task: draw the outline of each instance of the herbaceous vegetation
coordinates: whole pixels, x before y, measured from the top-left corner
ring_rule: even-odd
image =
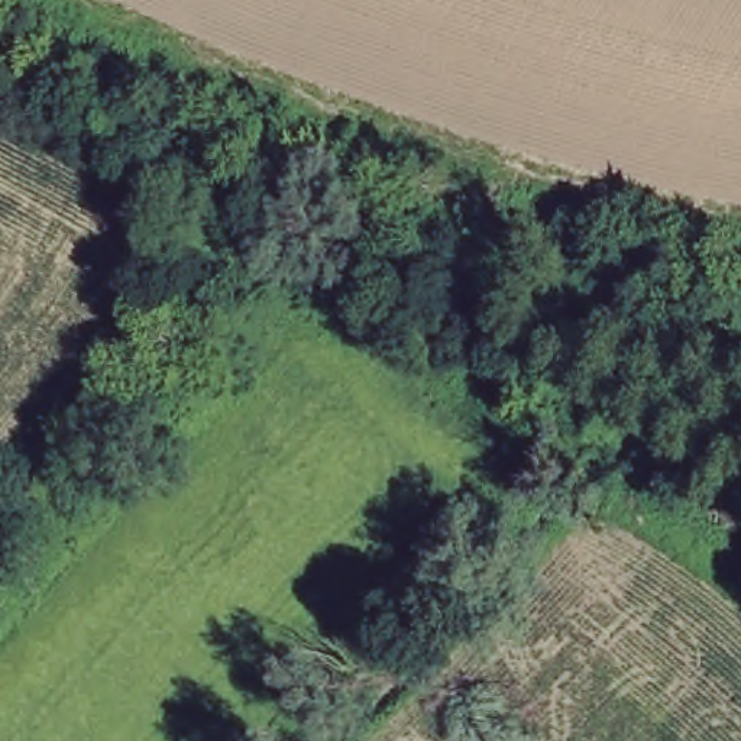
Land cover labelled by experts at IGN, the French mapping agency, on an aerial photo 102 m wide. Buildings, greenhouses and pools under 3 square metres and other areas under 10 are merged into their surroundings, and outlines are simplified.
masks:
[[[596,269],[593,292],[579,295],[573,287],[550,287],[547,292],[533,292],[533,307],[518,336],[507,344],[507,353],[515,362],[530,359],[533,333],[541,327],[553,327],[562,344],[576,344],[582,350],[588,316],[599,307],[611,307],[617,301],[619,284],[625,284],[643,266],[654,263],[657,255],[640,243],[622,252],[617,263]]]
[[[142,9],[133,0],[87,0],[113,26],[130,26],[142,17]]]
[[[709,362],[715,371],[727,368],[729,356],[741,350],[741,333],[724,330],[718,321],[709,324]]]
[[[336,333],[342,344],[368,350],[379,342],[379,324],[373,321],[365,324],[365,330],[353,330],[344,313],[333,316],[327,287],[313,289],[313,284],[304,281],[298,292],[281,295],[266,284],[263,298],[258,301],[255,295],[246,295],[246,301],[232,313],[229,324],[232,333],[246,336],[232,365],[249,368],[252,376],[258,371],[266,371],[281,353],[289,353],[295,342],[316,342],[324,330]]]
[[[608,376],[593,379],[590,385],[602,397],[614,397],[622,385],[631,382],[628,365],[614,365]]]
[[[686,408],[695,408],[700,402],[703,382],[695,376],[680,379],[674,385],[674,394]]]
[[[703,214],[689,200],[677,197],[674,206],[683,217],[683,234],[689,240],[703,240],[706,223],[741,229],[741,206],[732,206],[727,214]]]
[[[657,362],[663,365],[674,365],[683,356],[686,327],[677,321],[657,327]]]
[[[706,469],[709,463],[709,443],[718,437],[741,434],[741,405],[724,411],[715,420],[700,420],[689,425],[686,452],[680,460],[674,460],[654,457],[654,428],[663,411],[657,408],[657,402],[645,402],[640,414],[640,434],[625,437],[617,452],[622,466],[631,469],[631,475],[625,478],[625,486],[619,492],[599,498],[599,512],[611,527],[619,527],[634,538],[651,544],[666,559],[686,567],[695,579],[715,582],[741,611],[741,507],[735,492],[724,489],[718,492],[715,504],[689,504],[686,495],[692,472],[700,466]]]
[[[223,49],[214,49],[208,43],[194,41],[191,35],[177,32],[179,41],[191,46],[194,61],[200,67],[226,69],[232,75],[249,78],[252,84],[269,84],[278,96],[292,96],[318,113],[330,113],[333,119],[327,122],[327,139],[342,136],[347,116],[362,116],[365,122],[353,136],[353,145],[362,148],[362,159],[376,156],[379,162],[385,162],[388,156],[399,156],[405,162],[411,153],[417,153],[420,165],[431,168],[443,153],[449,153],[460,162],[463,171],[475,174],[475,179],[463,185],[466,237],[457,243],[452,269],[452,304],[457,307],[466,324],[463,368],[431,371],[428,382],[437,391],[437,399],[449,397],[452,405],[460,408],[460,425],[472,431],[480,428],[480,420],[492,420],[501,425],[501,382],[480,376],[475,356],[478,344],[483,342],[480,313],[489,304],[486,295],[498,287],[498,272],[486,263],[486,255],[509,240],[507,223],[498,208],[521,208],[527,203],[535,203],[538,220],[544,223],[556,211],[588,211],[590,203],[619,194],[625,179],[622,174],[602,174],[588,179],[585,185],[573,185],[564,168],[530,162],[530,153],[501,153],[495,145],[463,139],[452,130],[437,130],[414,119],[385,113],[362,98],[327,93],[304,78],[281,75],[266,67],[240,64]]]

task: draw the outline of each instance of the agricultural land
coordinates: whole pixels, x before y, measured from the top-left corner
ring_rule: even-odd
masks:
[[[544,567],[533,573],[533,599],[515,631],[507,640],[498,640],[495,648],[480,660],[480,666],[472,657],[463,657],[457,648],[452,648],[446,666],[434,669],[434,686],[423,680],[411,686],[388,709],[388,718],[382,721],[385,729],[376,735],[376,741],[741,741],[741,611],[715,582],[695,579],[686,567],[666,559],[651,544],[634,538],[619,527],[611,527],[605,533],[590,533],[588,524],[576,518],[576,530],[544,562]]]
[[[124,206],[133,188],[122,179],[81,174],[55,159],[52,153],[23,151],[9,136],[0,136],[0,440],[12,434],[14,423],[32,417],[35,405],[55,408],[55,399],[64,399],[69,405],[78,397],[84,368],[90,365],[87,353],[96,342],[119,342],[130,336],[116,321],[116,289],[110,281],[130,249]]]
[[[483,489],[486,480],[492,480],[509,489],[521,472],[527,472],[518,463],[521,434],[512,434],[509,425],[501,425],[492,420],[480,420],[480,428],[472,431],[460,425],[460,408],[452,405],[449,397],[437,399],[437,391],[428,382],[423,382],[420,376],[391,371],[368,350],[342,344],[336,333],[324,330],[316,342],[295,342],[289,353],[281,353],[266,371],[258,371],[252,376],[255,385],[246,394],[220,397],[223,402],[217,405],[217,420],[211,420],[194,437],[174,437],[168,428],[162,428],[171,449],[168,466],[153,469],[151,504],[145,509],[122,509],[113,527],[101,538],[96,538],[87,556],[72,562],[61,573],[61,588],[52,593],[52,599],[43,602],[38,611],[26,611],[20,617],[20,622],[14,625],[20,640],[0,645],[0,741],[252,741],[261,738],[266,724],[278,718],[269,700],[284,698],[278,686],[269,686],[263,680],[266,657],[272,657],[272,643],[284,643],[292,660],[318,654],[330,648],[336,640],[342,640],[356,654],[362,645],[362,622],[344,611],[347,602],[356,593],[365,596],[373,588],[382,588],[394,570],[420,567],[420,559],[414,559],[414,541],[420,533],[420,521],[425,515],[443,515],[449,509],[443,492],[457,489],[460,480],[472,483],[475,489]]]

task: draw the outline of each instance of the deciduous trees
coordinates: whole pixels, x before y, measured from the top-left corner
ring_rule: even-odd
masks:
[[[590,533],[605,533],[611,527],[599,512],[599,498],[619,492],[625,486],[625,478],[631,475],[631,469],[622,466],[617,452],[625,437],[640,434],[640,414],[645,402],[657,402],[657,408],[663,411],[654,428],[654,457],[674,460],[680,460],[686,452],[689,425],[700,420],[715,420],[724,411],[741,405],[741,350],[729,356],[727,368],[715,371],[709,362],[709,324],[718,321],[724,330],[741,333],[741,229],[706,223],[703,240],[689,240],[683,234],[683,217],[674,206],[677,197],[660,197],[654,188],[625,179],[619,194],[590,203],[588,211],[556,211],[544,223],[538,220],[535,203],[527,203],[521,208],[498,208],[507,223],[509,240],[486,255],[486,263],[498,272],[498,287],[486,295],[489,304],[480,313],[483,342],[478,344],[475,356],[480,376],[501,382],[501,425],[509,425],[512,434],[521,434],[518,463],[527,472],[521,472],[509,489],[492,480],[486,480],[483,489],[475,489],[472,483],[460,480],[457,489],[443,492],[449,509],[443,515],[425,515],[420,521],[420,533],[414,541],[414,559],[420,559],[420,567],[394,570],[382,588],[373,588],[365,596],[356,593],[347,602],[344,611],[362,622],[362,645],[356,654],[342,640],[336,640],[330,648],[318,654],[292,660],[284,643],[272,643],[272,657],[266,657],[263,680],[269,686],[278,686],[284,698],[269,700],[278,718],[266,724],[261,738],[252,741],[376,741],[376,735],[385,729],[382,721],[388,718],[388,709],[411,686],[423,680],[434,686],[434,669],[446,666],[452,648],[457,648],[463,657],[472,657],[480,666],[480,660],[495,648],[498,640],[507,640],[515,631],[533,599],[533,573],[544,567],[544,562],[576,530],[576,518],[588,524]],[[643,266],[625,284],[619,284],[617,301],[611,307],[599,307],[588,316],[582,350],[576,344],[562,344],[553,327],[541,327],[533,333],[530,359],[515,362],[507,353],[507,344],[518,336],[533,307],[533,292],[547,292],[550,287],[573,287],[579,295],[593,292],[596,269],[617,263],[622,252],[640,243],[657,255],[654,263]],[[657,327],[677,321],[686,327],[683,356],[674,365],[663,365],[657,362]],[[608,376],[614,365],[628,365],[631,382],[622,385],[614,397],[602,397],[590,385],[593,379]],[[695,408],[686,408],[674,394],[674,385],[680,379],[695,376],[703,382],[700,402]]]
[[[718,437],[709,443],[709,463],[706,469],[700,466],[692,472],[686,495],[689,504],[715,504],[718,492],[724,489],[735,492],[741,507],[741,434]]]
[[[452,304],[452,269],[457,243],[466,237],[463,185],[475,179],[475,174],[463,171],[460,162],[449,153],[443,153],[431,168],[420,165],[417,153],[411,153],[405,162],[399,156],[388,156],[385,162],[379,162],[376,156],[362,159],[362,148],[353,145],[353,136],[365,122],[362,116],[347,116],[342,136],[327,139],[327,122],[333,119],[330,113],[318,113],[292,96],[278,96],[269,84],[252,84],[249,78],[232,75],[226,69],[200,67],[194,61],[191,46],[179,41],[177,32],[165,23],[142,17],[130,26],[113,26],[87,0],[0,0],[0,136],[9,136],[23,151],[52,153],[55,159],[81,174],[122,179],[133,188],[124,206],[130,249],[110,281],[116,289],[116,321],[130,336],[119,342],[96,342],[87,353],[90,365],[84,368],[78,397],[69,405],[64,399],[55,399],[55,408],[35,405],[32,417],[14,423],[12,434],[0,440],[0,645],[20,640],[14,625],[20,622],[20,617],[26,611],[38,611],[43,602],[52,599],[52,593],[61,588],[61,573],[72,562],[87,556],[96,538],[101,538],[113,527],[122,509],[145,509],[151,504],[153,469],[168,466],[171,449],[162,428],[168,428],[174,437],[194,437],[211,420],[217,420],[217,405],[223,402],[220,397],[246,394],[255,385],[252,376],[249,368],[232,365],[246,336],[232,333],[229,324],[232,313],[246,301],[246,295],[255,295],[258,301],[263,298],[266,284],[281,295],[298,292],[304,281],[313,284],[313,289],[327,287],[333,316],[344,313],[353,330],[365,330],[365,324],[373,321],[379,324],[379,342],[368,350],[391,371],[420,376],[423,382],[428,382],[431,371],[463,368],[466,324],[457,307]]]

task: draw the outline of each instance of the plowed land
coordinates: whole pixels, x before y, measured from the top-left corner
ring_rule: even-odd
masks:
[[[191,35],[194,41],[208,43],[214,49],[223,49],[240,64],[266,67],[281,75],[304,78],[327,93],[362,98],[385,113],[414,119],[437,130],[452,130],[463,139],[495,145],[501,153],[530,153],[530,162],[564,168],[573,185],[585,185],[588,179],[602,174],[622,174],[625,179],[654,188],[660,197],[677,197],[689,200],[703,214],[727,214],[732,206],[741,206],[741,0],[133,0],[142,9],[142,17],[165,23],[177,32]]]

